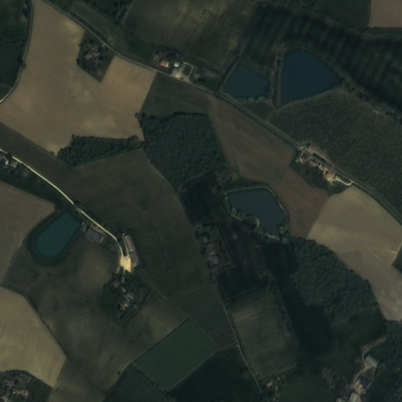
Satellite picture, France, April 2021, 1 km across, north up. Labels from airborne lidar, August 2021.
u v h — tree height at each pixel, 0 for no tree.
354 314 11
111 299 0
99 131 0
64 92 0
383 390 0
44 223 0
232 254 0
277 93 0
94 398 0
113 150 10
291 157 0
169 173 16
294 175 0
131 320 0
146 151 18
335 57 0
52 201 0
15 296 0
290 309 0
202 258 7
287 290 0
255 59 0
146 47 0
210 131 21
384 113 0
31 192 0
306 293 15
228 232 0
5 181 0
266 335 0
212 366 0
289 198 0
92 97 0
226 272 0
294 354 0
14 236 0
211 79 0
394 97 0
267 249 0
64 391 0
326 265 20
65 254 0
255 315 0
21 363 0
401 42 0
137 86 0
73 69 0
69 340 0
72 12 7
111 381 0
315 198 0
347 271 21
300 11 0
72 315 0
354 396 0
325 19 0
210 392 0
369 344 0
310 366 0
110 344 0
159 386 11
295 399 0
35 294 0
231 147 0
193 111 0
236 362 0
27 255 0
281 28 0
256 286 0
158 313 0
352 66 0
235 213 10
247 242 0
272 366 0
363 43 0
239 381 0
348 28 0
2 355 0
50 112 0
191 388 0
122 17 10
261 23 0
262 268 0
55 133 0
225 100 9
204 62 0
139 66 0
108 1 0
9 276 0
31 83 0
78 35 0
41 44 0
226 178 0
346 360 0
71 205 0
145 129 8
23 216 0
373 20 0
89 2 13
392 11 0
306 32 0
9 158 12
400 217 0
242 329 0
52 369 0
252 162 0
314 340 0
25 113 0
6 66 0
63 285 0
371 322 0
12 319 0
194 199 0
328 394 0
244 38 0
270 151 0
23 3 0
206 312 5
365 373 0
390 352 0
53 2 23
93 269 0
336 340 0
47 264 0
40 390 0
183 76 0
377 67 0
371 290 18
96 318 0
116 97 0
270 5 0
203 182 0
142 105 0
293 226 0
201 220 0
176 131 21
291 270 0
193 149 20
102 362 0
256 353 0
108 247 0
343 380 0
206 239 18
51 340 0
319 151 0
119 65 0
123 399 0
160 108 0
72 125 0
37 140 0
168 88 0
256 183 0
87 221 0
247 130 0
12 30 0
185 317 0
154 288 0
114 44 0
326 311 15
